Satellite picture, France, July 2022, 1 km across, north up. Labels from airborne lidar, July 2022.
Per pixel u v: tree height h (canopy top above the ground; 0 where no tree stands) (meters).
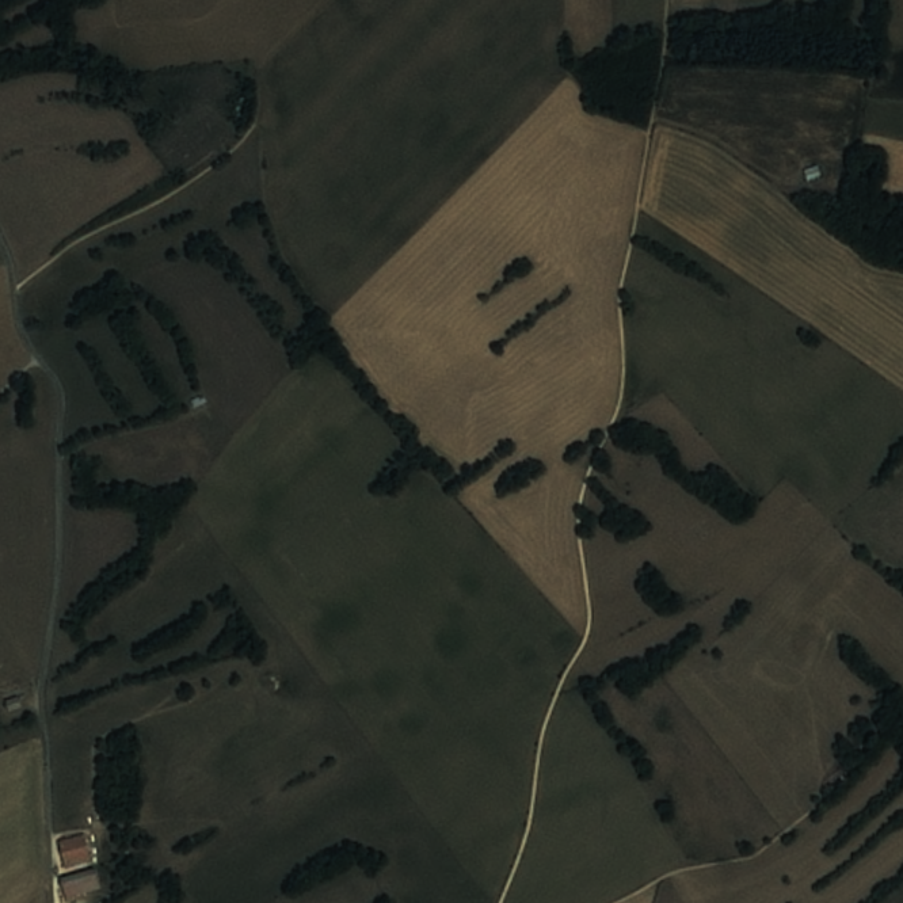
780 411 0
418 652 0
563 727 0
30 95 0
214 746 0
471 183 0
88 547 0
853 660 19
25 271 0
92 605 18
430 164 0
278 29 0
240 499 0
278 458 0
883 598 0
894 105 0
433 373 0
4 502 0
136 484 16
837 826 0
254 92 11
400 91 0
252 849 0
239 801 0
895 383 0
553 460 0
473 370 0
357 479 0
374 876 9
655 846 0
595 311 0
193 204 0
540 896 0
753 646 0
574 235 0
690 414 0
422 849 0
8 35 19
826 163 0
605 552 0
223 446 0
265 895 0
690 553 0
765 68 6
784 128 0
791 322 0
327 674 0
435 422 0
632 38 23
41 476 0
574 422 0
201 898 0
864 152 19
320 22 0
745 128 0
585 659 0
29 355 0
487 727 0
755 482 0
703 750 0
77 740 0
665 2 0
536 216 0
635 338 0
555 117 0
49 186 0
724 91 0
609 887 0
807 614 0
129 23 0
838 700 0
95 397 0
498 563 0
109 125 0
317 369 0
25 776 0
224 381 0
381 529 0
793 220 0
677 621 0
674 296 0
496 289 8
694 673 0
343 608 0
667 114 0
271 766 0
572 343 0
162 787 0
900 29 0
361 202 0
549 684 0
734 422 0
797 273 0
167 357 0
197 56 0
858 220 20
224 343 0
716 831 0
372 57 0
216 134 0
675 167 0
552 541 0
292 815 0
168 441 0
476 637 0
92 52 17
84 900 0
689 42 12
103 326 0
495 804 0
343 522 0
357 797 0
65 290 0
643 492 0
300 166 0
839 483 0
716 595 0
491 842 0
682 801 0
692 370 0
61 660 0
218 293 0
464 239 0
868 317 0
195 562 0
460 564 0
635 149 0
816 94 0
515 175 0
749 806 0
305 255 0
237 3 0
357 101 0
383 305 0
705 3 0
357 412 0
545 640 0
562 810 0
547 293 0
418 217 0
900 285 0
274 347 0
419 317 0
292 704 0
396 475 15
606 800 0
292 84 0
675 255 9
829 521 0
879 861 0
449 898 0
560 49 7
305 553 0
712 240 0
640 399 0
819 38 22
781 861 0
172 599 0
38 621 0
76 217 0
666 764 0
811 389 0
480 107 0
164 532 14
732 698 0
